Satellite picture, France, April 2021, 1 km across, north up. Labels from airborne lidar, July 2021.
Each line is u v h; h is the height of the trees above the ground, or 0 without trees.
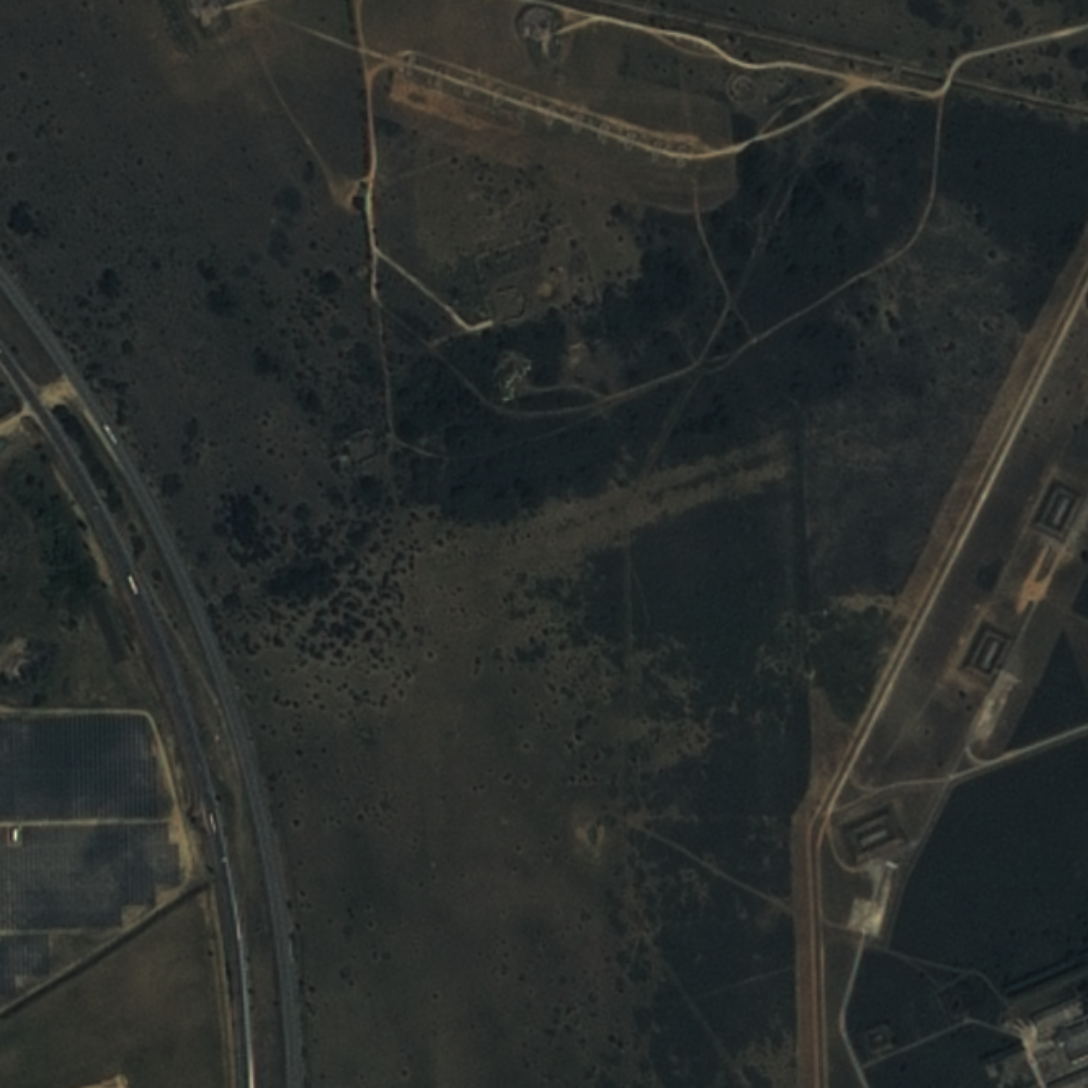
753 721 0
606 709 0
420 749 0
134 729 0
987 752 0
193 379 0
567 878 0
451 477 0
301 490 0
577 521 0
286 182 0
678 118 0
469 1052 0
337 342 0
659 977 0
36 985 0
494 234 0
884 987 0
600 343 0
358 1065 0
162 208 0
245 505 8
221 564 0
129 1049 0
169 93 0
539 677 0
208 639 0
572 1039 0
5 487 0
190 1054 0
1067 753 0
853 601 0
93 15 0
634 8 0
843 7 0
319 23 0
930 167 0
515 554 0
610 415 0
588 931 0
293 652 0
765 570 0
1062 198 0
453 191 0
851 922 0
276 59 0
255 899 0
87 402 0
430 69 0
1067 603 0
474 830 0
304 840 0
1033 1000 0
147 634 0
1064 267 0
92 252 0
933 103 0
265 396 0
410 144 0
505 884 0
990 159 0
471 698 0
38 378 0
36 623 0
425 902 0
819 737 0
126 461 0
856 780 0
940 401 0
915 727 0
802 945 0
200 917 0
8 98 0
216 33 0
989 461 0
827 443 0
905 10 0
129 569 0
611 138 0
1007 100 0
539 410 0
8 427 0
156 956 0
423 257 0
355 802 0
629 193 0
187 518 0
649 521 0
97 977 0
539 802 0
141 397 0
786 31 0
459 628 0
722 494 0
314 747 0
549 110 0
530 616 0
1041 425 0
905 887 0
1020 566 0
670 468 0
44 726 0
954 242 0
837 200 0
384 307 0
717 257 0
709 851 0
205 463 0
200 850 0
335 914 0
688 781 0
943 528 0
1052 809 0
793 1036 0
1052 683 0
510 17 0
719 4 0
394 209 0
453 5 0
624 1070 0
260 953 0
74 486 0
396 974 0
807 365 0
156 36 0
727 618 0
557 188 0
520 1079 0
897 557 0
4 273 0
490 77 0
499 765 0
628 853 0
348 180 0
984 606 0
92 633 0
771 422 0
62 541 8
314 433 0
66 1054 0
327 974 0
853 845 0
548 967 0
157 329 0
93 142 0
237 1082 0
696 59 0
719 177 0
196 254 0
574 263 0
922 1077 0
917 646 0
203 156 0
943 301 0
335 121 0
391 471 0
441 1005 0
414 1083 0
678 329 0
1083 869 0
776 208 0
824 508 0
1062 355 0
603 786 0
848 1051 0
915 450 0
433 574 0
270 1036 0
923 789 0
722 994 0
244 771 0
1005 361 0
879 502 0
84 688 0
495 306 0
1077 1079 0
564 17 0
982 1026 0
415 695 0
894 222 0
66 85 0
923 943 0
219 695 0
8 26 0
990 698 0
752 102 0
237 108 0
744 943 0
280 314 0
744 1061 0
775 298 0
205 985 0
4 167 0
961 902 0
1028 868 0
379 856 0
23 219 7
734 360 0
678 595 0
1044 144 0
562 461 0
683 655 0
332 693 0
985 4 0
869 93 0
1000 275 0
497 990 0
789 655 0
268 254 0
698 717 0
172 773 0
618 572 0
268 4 0
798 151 0
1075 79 0
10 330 0
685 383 0
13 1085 0
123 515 0
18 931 0
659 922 0
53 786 0
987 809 0
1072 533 0
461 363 0
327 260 0
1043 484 0
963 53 0
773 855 0
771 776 0
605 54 0
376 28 0
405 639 0
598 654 0
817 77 0
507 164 0
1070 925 0
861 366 0
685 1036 0
